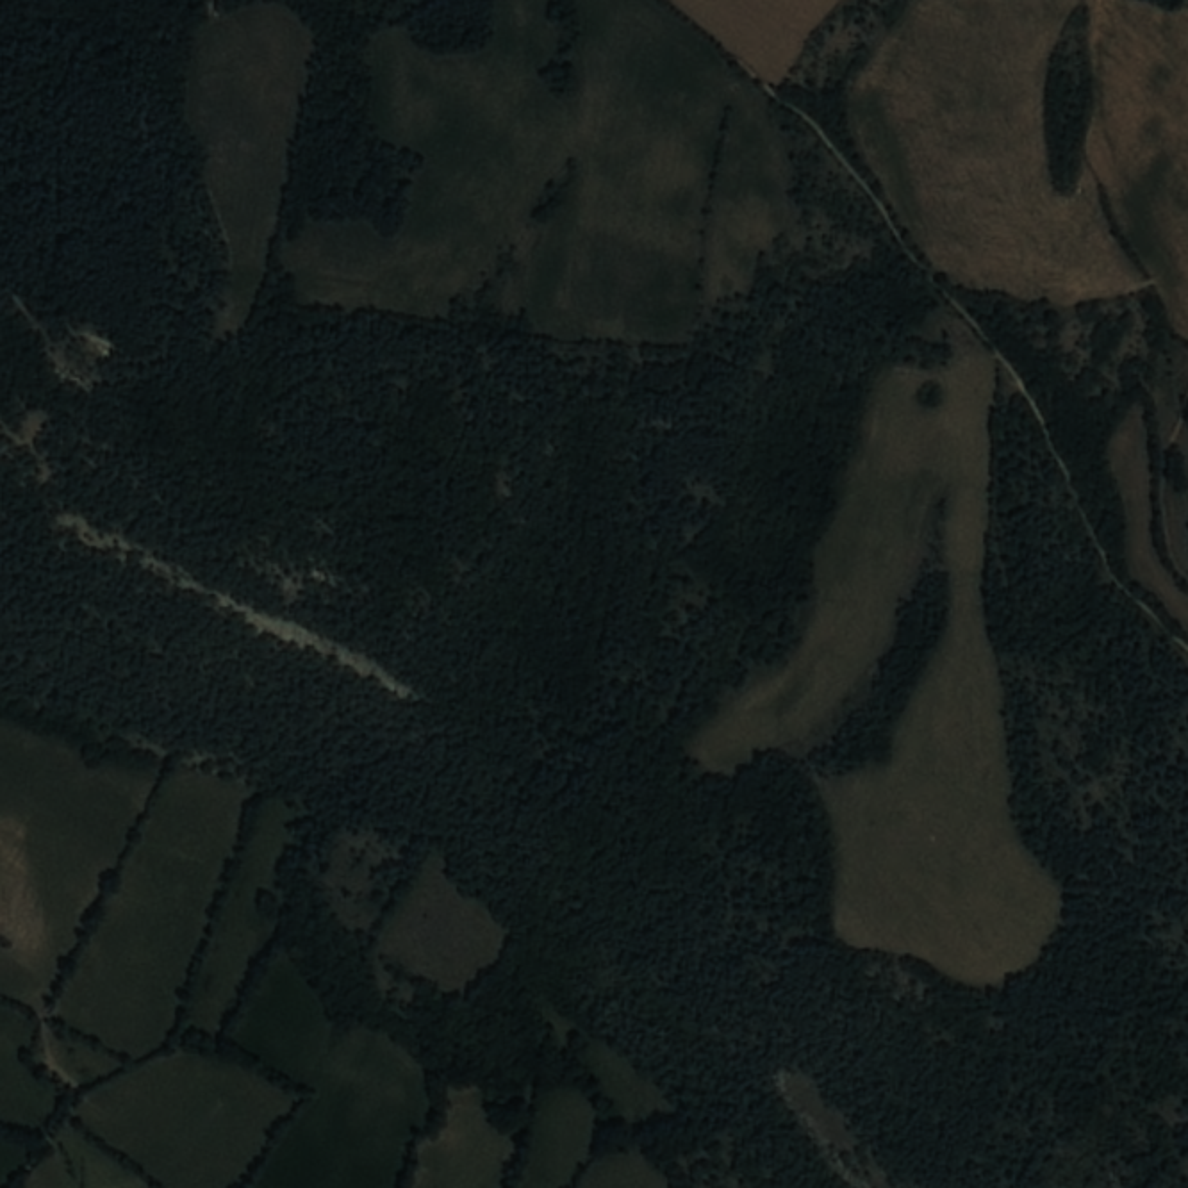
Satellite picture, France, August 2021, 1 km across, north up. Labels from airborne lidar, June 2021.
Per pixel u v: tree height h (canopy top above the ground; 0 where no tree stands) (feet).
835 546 0
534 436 29
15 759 0
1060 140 19
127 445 27
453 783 26
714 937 43
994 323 33
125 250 47
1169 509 0
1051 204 0
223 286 34
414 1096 0
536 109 0
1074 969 34
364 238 0
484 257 0
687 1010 26
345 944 38
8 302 35
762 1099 44
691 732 38
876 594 0
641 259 0
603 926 42
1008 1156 20
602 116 0
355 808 53
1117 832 28
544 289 0
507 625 31
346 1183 0
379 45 0
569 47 31
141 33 32
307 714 39
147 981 0
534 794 39
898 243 33
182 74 28
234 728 50
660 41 0
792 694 0
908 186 0
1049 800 30
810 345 47
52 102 43
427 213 0
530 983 40
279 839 0
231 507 26
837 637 0
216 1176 0
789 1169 58
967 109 0
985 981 0
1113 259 0
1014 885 0
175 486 43
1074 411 40
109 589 34
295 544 19
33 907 0
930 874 0
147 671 35
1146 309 27
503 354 44
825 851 22
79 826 0
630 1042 37
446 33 31
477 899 49
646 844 35
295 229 29
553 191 22
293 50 0
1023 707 29
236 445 34
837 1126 0
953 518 0
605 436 34
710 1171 30
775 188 0
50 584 29
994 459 25
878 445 0
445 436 22
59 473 30
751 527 19
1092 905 42
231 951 0
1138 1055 25
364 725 33
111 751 27
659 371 32
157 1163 0
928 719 0
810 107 41
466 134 0
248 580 29
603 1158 30
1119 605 29
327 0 40
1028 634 24
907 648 26
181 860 0
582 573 28
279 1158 0
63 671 42
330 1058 0
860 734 24
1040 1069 32
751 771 36
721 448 33
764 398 29
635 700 42
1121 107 0
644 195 0
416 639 19
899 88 0
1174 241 0
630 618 43
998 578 24
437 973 0
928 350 27
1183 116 0
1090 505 42
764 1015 31
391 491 41
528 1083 47
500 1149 0
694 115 0
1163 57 0
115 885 51
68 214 44
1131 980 48
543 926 29
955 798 0
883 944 0
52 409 26
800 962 34
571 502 36
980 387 0
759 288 22
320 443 52
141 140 26
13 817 0
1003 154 0
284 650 21
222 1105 0
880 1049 38
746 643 19
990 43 0
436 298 0
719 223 0
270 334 42
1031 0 0
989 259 0
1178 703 35
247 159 0
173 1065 0
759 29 0
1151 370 23
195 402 31
